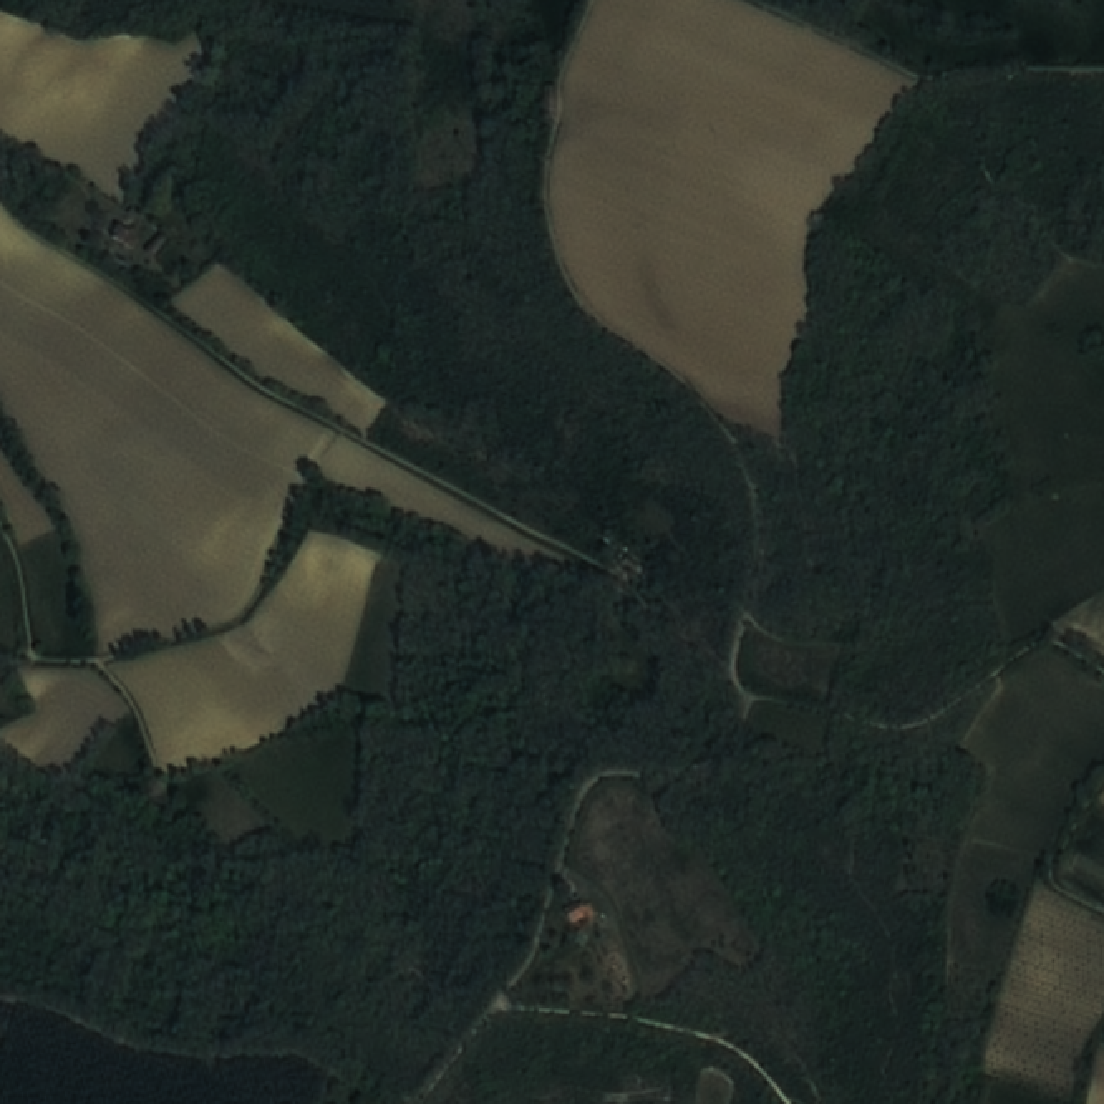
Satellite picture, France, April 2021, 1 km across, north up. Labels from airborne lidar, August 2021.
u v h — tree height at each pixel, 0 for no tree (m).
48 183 21
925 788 9
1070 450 0
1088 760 0
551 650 20
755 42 0
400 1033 12
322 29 17
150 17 16
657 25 0
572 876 0
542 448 6
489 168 18
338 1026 6
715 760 13
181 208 13
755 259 0
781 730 0
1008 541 0
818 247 17
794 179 0
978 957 0
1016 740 0
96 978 21
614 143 0
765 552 15
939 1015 17
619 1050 10
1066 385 0
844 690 15
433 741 18
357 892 21
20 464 24
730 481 16
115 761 0
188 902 12
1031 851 0
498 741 14
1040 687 0
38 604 0
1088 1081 8
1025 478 0
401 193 11
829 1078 8
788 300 0
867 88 0
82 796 22
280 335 0
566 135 0
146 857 24
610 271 0
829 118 0
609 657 22
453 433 15
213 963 14
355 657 0
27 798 12
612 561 8
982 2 0
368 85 23
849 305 10
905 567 16
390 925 22
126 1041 15
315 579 0
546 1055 8
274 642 0
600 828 0
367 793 13
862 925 6
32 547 0
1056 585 0
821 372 15
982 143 11
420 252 10
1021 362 0
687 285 0
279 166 12
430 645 17
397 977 13
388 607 0
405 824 10
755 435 14
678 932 0
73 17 11
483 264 6
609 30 0
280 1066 12
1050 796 0
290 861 19
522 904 8
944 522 9
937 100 14
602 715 8
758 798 10
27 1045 12
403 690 10
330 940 18
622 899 0
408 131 16
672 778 12
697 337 0
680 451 23
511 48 8
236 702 0
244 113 13
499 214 18
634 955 0
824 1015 6
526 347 8
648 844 0
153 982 8
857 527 13
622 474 8
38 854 14
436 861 9
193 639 17
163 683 0
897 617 14
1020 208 15
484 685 15
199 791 0
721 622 7
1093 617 0
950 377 8
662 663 19
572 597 21
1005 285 19
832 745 12
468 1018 8
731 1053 12
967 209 6
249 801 13
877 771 8
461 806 13
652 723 20
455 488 0
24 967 7
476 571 22
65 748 0
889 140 16
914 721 14
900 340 17
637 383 23
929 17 8
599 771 12
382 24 10
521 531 0
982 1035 13
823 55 0
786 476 9
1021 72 12
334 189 13
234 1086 12
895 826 10
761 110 0
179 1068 11
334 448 0
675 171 0
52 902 17
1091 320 0
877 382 13
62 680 0
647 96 0
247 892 9
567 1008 12
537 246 16
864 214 9
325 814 0
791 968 11
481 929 14
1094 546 0
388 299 9
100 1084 12
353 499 11
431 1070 8
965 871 0
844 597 16
